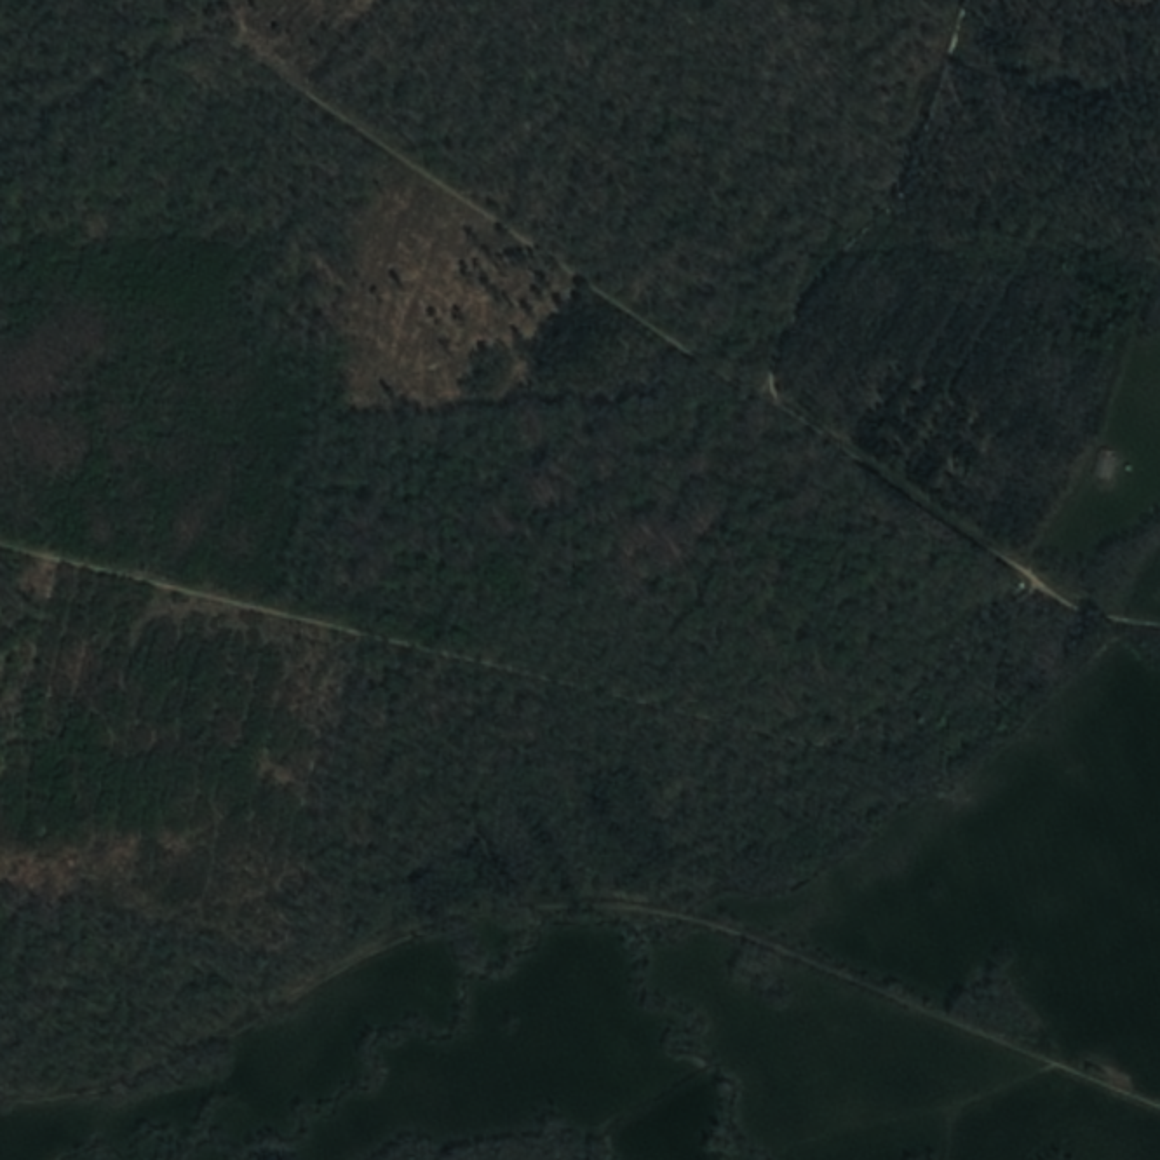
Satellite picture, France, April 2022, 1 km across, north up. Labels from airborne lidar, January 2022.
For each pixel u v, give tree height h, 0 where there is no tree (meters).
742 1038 0
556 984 0
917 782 21
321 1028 0
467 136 28
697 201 26
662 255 23
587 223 21
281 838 5
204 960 23
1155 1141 0
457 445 27
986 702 24
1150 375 0
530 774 21
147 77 21
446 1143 0
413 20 22
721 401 25
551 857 18
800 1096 0
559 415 27
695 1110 0
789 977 0
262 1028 22
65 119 21
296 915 25
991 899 0
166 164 24
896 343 14
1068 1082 0
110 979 23
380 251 0
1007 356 14
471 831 21
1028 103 25
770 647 22
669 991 0
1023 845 0
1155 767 0
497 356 12
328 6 0
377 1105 0
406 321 0
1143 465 0
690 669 24
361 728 25
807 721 25
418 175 0
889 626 28
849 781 27
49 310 12
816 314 14
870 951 0
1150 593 0
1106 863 0
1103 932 0
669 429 25
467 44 23
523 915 20
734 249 28
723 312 28
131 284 12
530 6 25
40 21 27
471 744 25
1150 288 12
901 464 14
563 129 28
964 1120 0
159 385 12
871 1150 0
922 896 0
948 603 25
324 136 27
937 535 22
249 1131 0
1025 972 0
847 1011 0
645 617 26
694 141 27
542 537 28
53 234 22
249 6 0
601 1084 0
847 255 6
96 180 22
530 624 27
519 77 26
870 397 14
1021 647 24
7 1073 22
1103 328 7
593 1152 13
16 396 14
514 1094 0
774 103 23
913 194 25
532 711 25
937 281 12
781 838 25
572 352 10
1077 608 0
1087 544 0
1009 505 13
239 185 25
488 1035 0
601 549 24
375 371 0
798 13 21
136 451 13
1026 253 22
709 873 24
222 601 0
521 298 0
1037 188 23
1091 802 0
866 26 23
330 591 31
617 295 21
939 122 23
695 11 22
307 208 28
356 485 29
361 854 14
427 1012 0
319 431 23
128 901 0
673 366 21
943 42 23
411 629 27
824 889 0
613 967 0
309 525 26
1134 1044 0
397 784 28
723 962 0
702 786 25
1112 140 31
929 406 10
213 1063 26
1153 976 0
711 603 25
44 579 0
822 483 30
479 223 0
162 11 21
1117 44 22
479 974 20
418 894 23
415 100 24
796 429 26
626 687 22
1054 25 27
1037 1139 0
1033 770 0
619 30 29
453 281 0
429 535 28
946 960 0
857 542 29
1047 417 13
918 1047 0
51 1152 0
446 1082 0
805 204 19
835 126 25
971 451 9
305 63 0
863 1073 0
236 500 13
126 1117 0
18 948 26
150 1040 24
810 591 25
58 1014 15
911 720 25
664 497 24
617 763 23
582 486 30
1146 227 25
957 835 0
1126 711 0
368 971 0
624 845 20
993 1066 0
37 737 11
